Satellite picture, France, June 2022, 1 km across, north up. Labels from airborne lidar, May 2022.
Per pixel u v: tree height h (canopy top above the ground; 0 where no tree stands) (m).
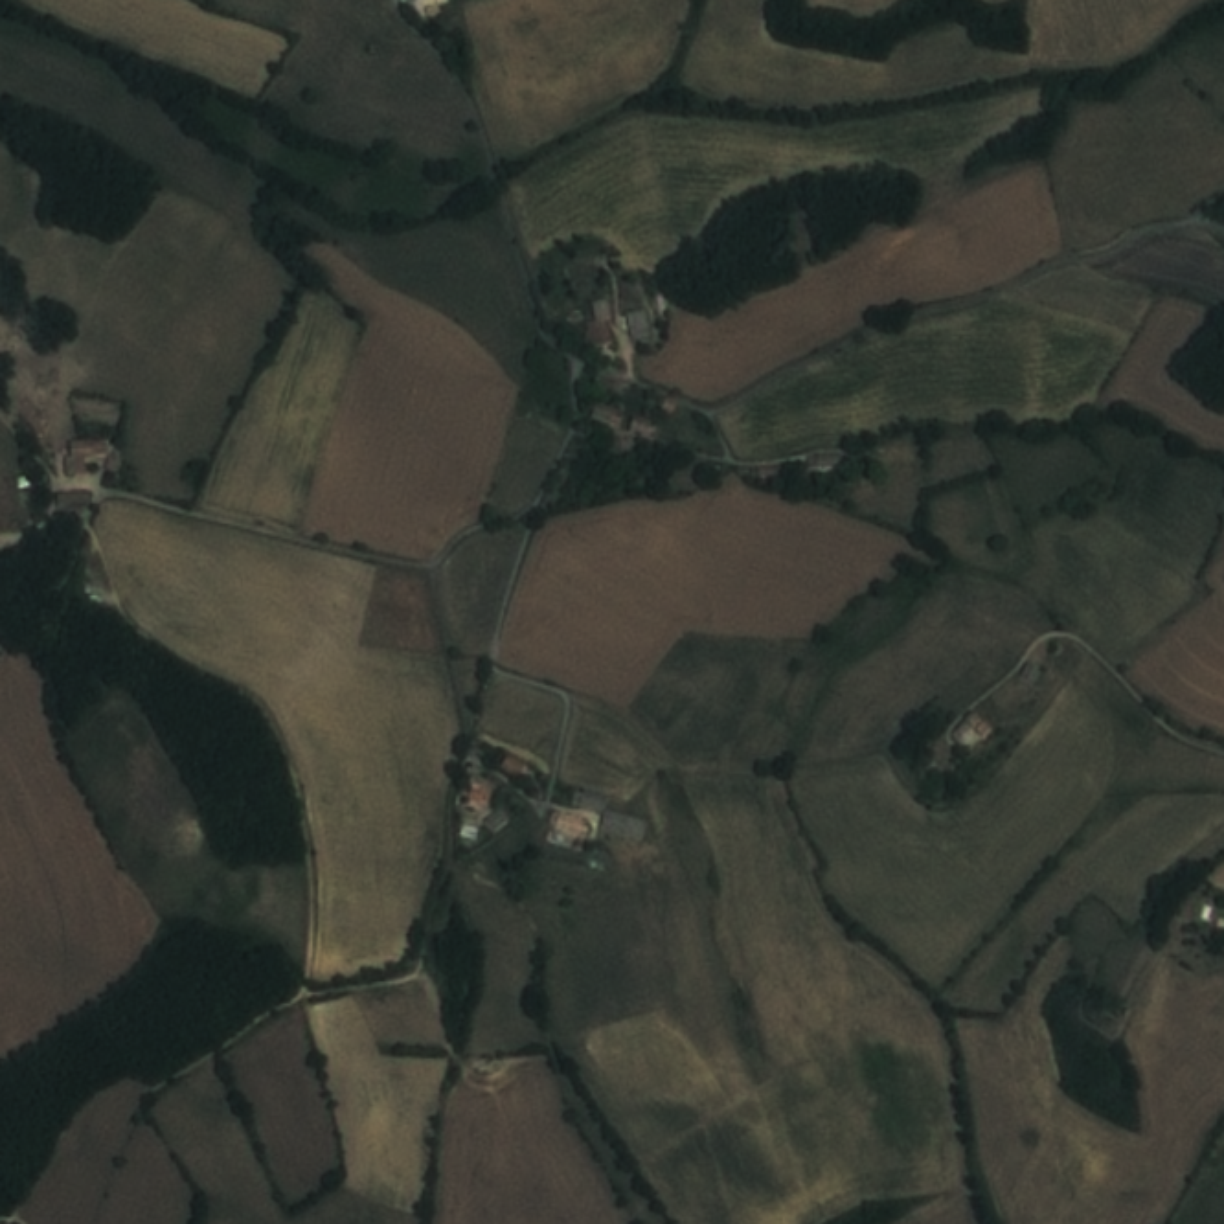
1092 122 0
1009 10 10
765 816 0
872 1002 0
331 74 0
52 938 0
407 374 0
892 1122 0
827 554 0
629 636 0
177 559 0
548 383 0
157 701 16
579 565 0
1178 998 0
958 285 0
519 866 8
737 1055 0
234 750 16
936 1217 0
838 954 0
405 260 0
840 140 0
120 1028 13
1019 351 0
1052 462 0
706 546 0
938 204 0
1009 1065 0
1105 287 0
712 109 12
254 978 19
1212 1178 0
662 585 0
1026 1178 0
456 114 0
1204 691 0
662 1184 0
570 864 0
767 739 0
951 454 0
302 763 0
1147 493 0
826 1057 0
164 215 0
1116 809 0
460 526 0
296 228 15
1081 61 0
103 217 18
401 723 0
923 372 0
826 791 0
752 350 0
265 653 0
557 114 0
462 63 11
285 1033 0
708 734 0
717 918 0
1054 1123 0
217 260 0
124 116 0
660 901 0
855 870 0
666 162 0
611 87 0
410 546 0
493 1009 0
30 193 0
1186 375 19
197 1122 0
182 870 0
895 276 0
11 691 0
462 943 16
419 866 0
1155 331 0
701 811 0
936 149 0
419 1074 0
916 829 0
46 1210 0
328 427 0
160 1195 0
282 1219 0
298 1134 0
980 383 0
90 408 0
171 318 0
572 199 0
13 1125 13
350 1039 0
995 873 0
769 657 0
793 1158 0
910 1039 0
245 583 0
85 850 0
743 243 14
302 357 0
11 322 17
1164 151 0
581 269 0
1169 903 13
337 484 0
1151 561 0
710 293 13
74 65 0
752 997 0
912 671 0
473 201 25
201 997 18
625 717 0
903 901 0
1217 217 11
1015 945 0
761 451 0
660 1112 0
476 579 0
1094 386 0
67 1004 0
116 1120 0
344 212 7
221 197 0
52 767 0
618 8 0
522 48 0
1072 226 0
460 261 0
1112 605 0
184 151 0
